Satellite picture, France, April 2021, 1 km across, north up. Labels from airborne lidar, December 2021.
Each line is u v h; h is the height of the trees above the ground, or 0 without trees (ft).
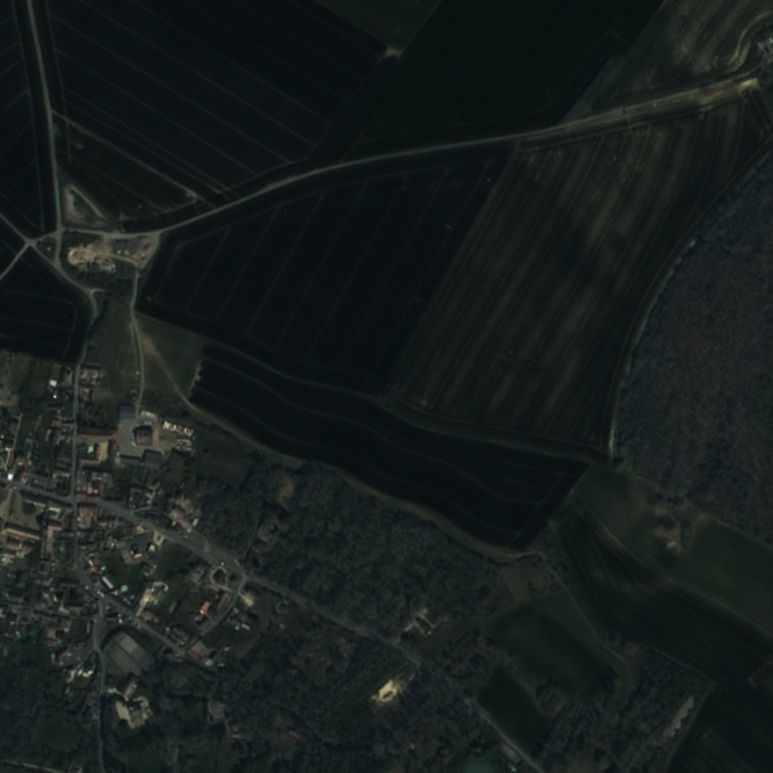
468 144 0
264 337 0
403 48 0
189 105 0
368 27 0
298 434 0
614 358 0
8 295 0
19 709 65
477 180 0
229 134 0
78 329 0
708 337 48
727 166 0
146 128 0
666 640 0
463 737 114
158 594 0
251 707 58
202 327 0
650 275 0
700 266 51
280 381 0
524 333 0
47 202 0
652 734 103
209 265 0
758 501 83
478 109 0
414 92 0
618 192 0
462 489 0
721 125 0
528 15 0
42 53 0
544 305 0
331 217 0
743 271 53
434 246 0
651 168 0
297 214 0
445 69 0
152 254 0
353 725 22
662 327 51
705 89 39
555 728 35
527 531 0
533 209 0
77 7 0
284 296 0
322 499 114
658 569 0
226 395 0
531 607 0
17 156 0
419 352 0
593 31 0
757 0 0
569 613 0
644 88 0
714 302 53
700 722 0
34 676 46
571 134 0
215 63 0
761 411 52
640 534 0
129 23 0
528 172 0
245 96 0
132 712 0
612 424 0
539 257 0
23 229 0
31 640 22
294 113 0
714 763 0
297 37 0
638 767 44
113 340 0
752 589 0
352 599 129
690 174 0
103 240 0
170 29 0
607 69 32
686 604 0
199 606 0
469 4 0
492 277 0
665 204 0
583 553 0
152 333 0
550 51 0
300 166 0
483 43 0
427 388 0
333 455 0
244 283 0
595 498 0
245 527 58
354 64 0
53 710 49
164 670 31
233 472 0
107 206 0
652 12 0
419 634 0
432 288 0
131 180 0
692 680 27
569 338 0
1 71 0
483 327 0
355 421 0
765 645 0
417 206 0
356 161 0
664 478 35
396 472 0
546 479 0
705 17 0
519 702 0
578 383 0
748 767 0
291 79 0
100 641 0
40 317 0
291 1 0
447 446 0
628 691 0
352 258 0
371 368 0
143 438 0
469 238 0
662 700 20
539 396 0
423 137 0
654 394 43
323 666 0
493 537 0
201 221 0
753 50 21
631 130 0
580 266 0
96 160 0
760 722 0
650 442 45
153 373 0
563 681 0
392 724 0
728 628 0
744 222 29
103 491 0
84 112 0
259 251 0
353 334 0
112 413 0
